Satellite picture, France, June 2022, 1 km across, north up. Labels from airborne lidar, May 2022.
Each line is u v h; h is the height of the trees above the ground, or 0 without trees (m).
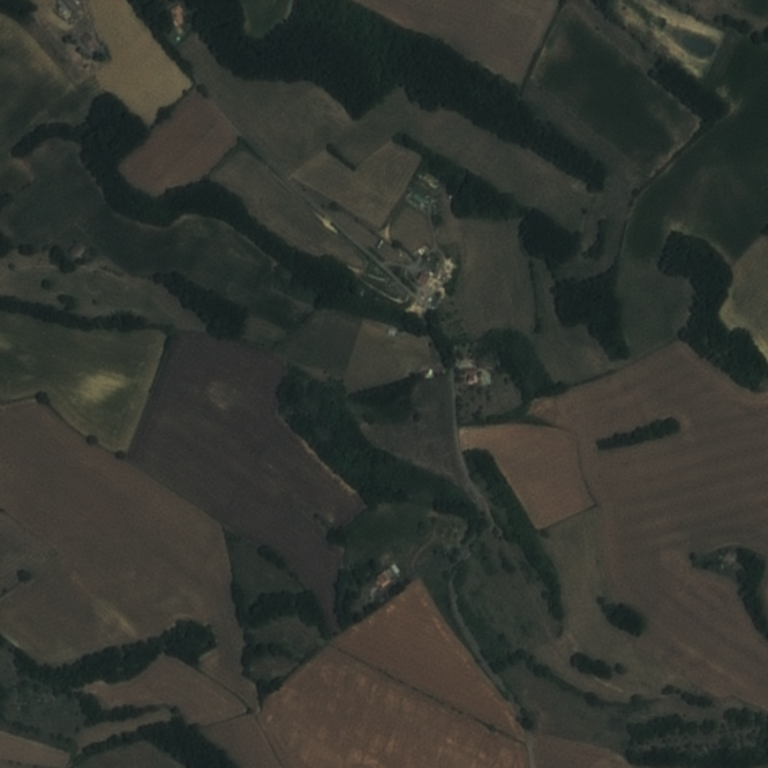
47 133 16
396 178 0
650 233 0
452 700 0
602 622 0
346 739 0
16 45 0
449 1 0
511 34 0
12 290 0
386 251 0
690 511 0
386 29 11
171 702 0
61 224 0
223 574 0
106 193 12
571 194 0
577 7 0
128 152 15
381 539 0
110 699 0
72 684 9
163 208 16
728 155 0
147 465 0
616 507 0
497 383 0
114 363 0
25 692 9
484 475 11
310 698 0
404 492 12
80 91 0
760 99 0
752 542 0
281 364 0
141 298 0
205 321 16
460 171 6
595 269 0
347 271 15
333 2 9
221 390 0
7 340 0
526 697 0
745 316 0
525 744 0
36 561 0
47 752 0
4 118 0
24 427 0
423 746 0
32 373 0
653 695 0
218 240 0
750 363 12
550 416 0
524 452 0
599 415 0
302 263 19
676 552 0
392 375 0
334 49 17
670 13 0
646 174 0
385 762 0
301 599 14
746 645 0
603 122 0
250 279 0
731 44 0
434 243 0
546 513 0
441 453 0
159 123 11
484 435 0
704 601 0
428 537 0
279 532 0
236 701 0
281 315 0
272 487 0
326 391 7
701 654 0
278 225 0
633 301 0
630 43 0
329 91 15
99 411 0
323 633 11
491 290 0
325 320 0
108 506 0
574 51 0
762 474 0
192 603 0
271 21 0
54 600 0
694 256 17
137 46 0
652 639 0
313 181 0
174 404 0
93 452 0
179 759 14
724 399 0
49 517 0
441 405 0
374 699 0
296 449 0
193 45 0
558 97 0
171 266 0
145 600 0
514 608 0
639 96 0
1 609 0
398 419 0
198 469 0
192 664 11
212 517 0
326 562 0
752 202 0
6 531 0
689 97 13
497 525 6
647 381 0
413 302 0
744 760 11
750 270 0
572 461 0
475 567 0
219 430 0
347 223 0
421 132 0
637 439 17
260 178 0
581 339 0
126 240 0
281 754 0
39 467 0
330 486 0
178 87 0
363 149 0
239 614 14
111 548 0
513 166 0
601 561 0
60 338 0
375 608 17
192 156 0
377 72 10
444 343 13
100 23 0
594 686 0
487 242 0
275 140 0
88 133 9
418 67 16
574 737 0
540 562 13
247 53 22
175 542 0
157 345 0
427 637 0
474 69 12
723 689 0
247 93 0
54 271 0
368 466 11
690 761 11
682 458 0
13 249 7
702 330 10
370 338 0
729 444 0
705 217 0
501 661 8
